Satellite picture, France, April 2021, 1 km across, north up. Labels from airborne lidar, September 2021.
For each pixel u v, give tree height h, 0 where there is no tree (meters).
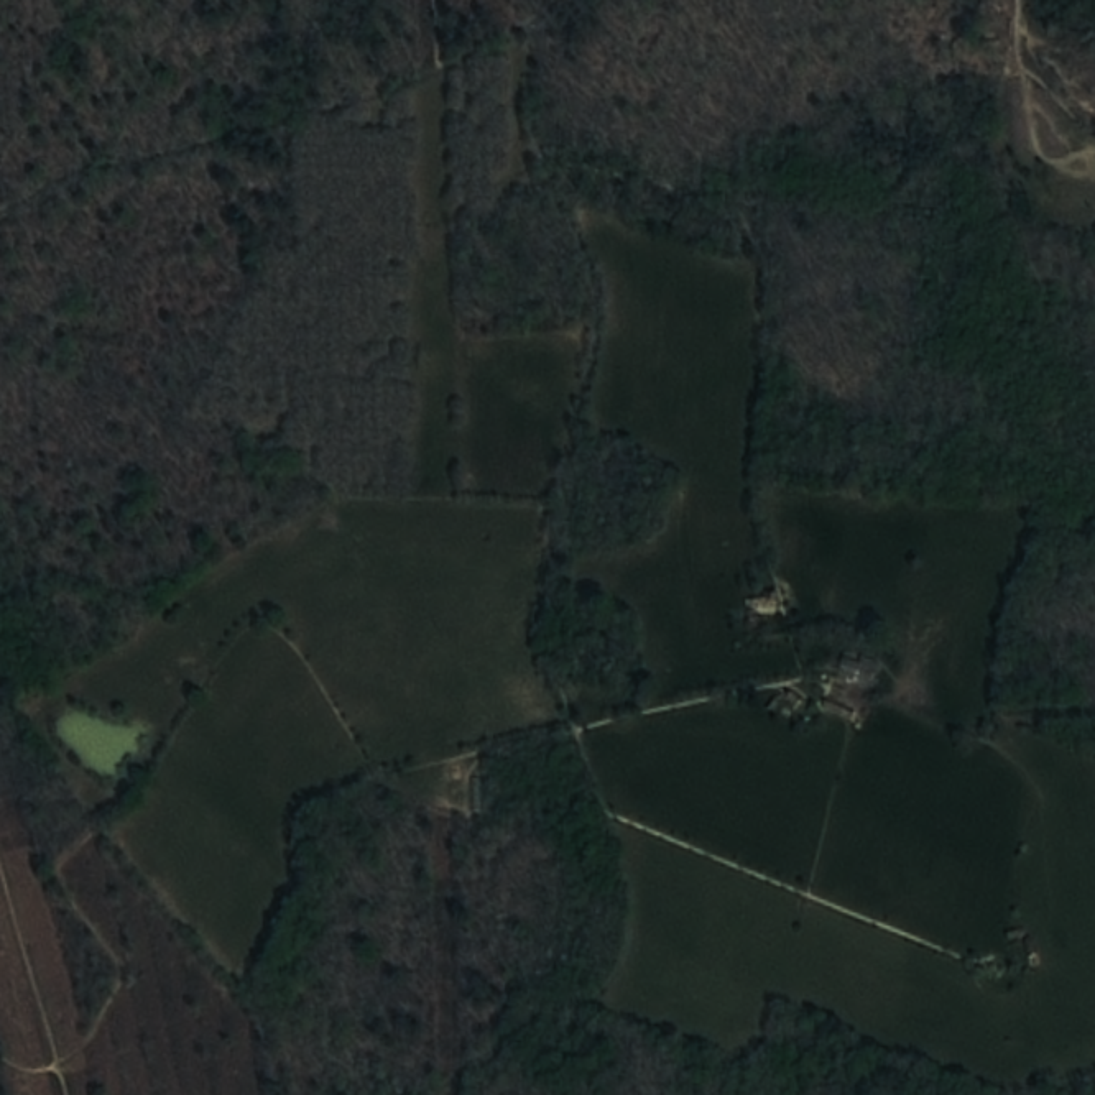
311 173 23
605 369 0
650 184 17
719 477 0
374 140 20
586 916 19
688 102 15
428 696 0
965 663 0
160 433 15
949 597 0
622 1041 21
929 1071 26
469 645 0
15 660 23
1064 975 0
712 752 0
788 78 15
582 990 20
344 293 20
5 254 16
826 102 16
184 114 14
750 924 0
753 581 11
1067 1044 0
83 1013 15
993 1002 0
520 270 22
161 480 15
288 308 18
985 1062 0
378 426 19
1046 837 0
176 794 0
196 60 17
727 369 0
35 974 0
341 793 18
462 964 13
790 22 12
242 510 8
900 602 0
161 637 0
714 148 17
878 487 18
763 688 10
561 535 22
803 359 0
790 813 0
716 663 0
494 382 0
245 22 14
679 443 0
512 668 0
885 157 18
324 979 20
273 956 22
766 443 11
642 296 0
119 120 12
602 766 0
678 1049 22
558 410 0
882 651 27
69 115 18
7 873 0
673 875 0
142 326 9
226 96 12
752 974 0
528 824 18
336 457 19
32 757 15
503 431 0
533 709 0
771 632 9
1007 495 25
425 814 8
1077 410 24
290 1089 14
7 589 16
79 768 13
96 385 14
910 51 15
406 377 14
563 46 11
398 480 17
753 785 0
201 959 23
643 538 24
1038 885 0
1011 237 19
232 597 0
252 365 18
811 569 0
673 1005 0
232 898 0
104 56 11
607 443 15
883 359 20
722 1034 0
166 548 14
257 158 25
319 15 22
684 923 0
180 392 20
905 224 21
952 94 22
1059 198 0
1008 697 20
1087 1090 18
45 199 13
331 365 21
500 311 18
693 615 0
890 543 0
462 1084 16
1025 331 22
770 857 0
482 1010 25
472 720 0
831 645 14
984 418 0
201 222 10
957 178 22
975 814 0
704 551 0
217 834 0
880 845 0
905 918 0
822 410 0
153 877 0
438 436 0
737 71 15
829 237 17
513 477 0
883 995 0
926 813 0
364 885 16
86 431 14
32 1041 0
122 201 9
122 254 12
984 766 0
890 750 0
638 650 24
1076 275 15
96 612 22
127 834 0
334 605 0
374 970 11
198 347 14
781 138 15
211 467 15
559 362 0
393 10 20
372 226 19
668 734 0
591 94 15
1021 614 22
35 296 12
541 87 13
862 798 0
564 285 19
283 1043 21
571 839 19
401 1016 14
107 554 19
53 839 9
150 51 13
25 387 11
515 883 23
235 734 0
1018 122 0
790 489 15
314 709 0
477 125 10
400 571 0
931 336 26
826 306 16
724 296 0
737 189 21
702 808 0
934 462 0
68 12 21
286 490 12
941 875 0
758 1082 23
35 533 20
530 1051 23
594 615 29
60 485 11
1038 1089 17
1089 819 0
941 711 0
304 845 22
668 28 17
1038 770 0
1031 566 21
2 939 0
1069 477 26
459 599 0
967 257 22
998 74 20
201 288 8
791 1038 24
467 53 23
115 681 0
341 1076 17
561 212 16
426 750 0
